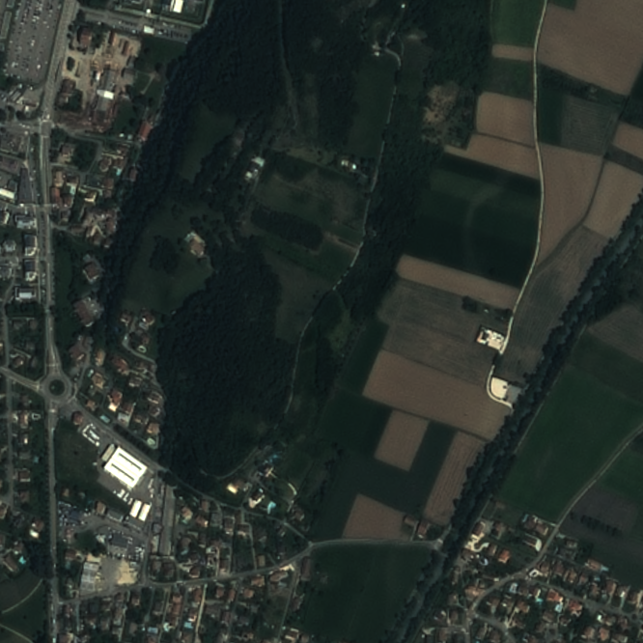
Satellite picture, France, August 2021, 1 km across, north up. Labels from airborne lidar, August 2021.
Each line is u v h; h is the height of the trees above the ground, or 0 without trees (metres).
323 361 14
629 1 0
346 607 0
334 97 12
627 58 0
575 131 0
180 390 15
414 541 0
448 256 0
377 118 0
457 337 0
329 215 0
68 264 0
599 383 0
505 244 0
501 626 0
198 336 15
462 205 0
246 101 17
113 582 0
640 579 0
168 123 15
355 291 21
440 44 12
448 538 10
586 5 0
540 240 0
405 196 15
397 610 0
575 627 8
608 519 0
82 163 6
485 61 16
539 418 0
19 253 0
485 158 0
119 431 11
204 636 12
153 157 20
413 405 0
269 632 0
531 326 0
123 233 17
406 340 0
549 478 0
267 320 14
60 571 9
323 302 13
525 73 0
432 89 14
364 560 0
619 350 0
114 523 0
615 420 0
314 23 10
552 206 0
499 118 0
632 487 0
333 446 10
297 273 0
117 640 7
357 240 0
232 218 14
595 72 0
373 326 0
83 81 0
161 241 10
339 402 0
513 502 0
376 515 0
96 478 0
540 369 14
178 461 15
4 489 6
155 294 0
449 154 0
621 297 10
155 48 0
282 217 9
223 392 16
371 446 0
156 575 16
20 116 15
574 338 14
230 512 9
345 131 16
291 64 13
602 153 0
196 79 12
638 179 0
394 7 12
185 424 14
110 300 7
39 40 0
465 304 9
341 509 0
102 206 9
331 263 0
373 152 0
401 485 0
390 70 0
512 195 0
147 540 0
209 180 14
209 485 16
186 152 14
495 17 0
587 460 0
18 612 0
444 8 12
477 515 10
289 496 0
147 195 17
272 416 9
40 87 0
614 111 0
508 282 0
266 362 15
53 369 0
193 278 0
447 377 0
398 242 17
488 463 15
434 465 0
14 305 13
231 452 13
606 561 0
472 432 0
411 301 0
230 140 13
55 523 0
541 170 0
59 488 9
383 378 0
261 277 7
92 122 0
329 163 6
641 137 0
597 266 13
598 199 0
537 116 0
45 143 0
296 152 0
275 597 0
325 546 0
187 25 0
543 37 0
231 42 15
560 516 0
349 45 13
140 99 19
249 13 11
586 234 0
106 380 0
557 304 0
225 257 9
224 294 8
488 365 0
